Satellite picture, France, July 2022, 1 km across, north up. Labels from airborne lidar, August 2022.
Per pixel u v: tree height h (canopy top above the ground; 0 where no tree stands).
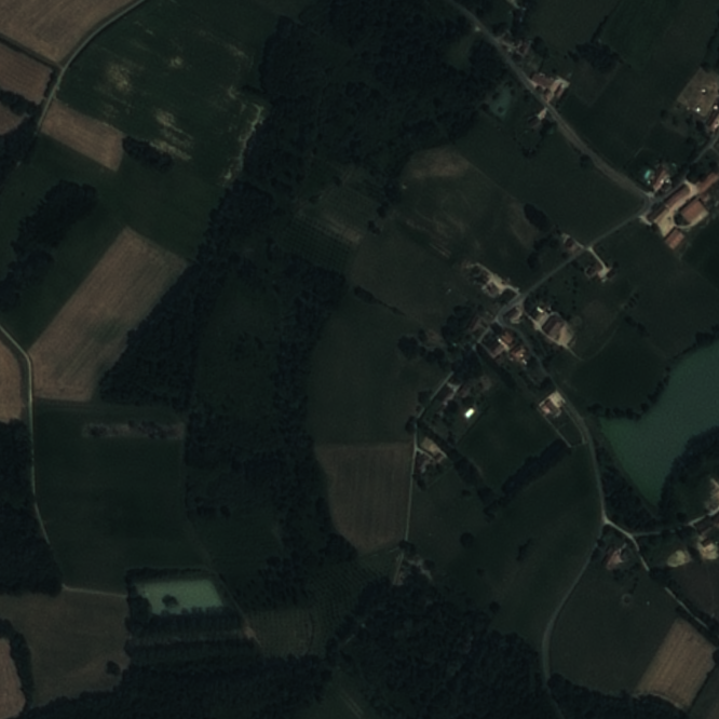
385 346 0
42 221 11
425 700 19
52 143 0
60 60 0
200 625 31
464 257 0
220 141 0
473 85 10
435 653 19
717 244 0
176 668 9
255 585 14
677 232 0
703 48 0
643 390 0
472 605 7
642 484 0
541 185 0
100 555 0
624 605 0
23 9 0
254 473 22
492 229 0
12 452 24
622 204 0
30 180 0
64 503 0
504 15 0
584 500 0
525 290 0
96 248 0
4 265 0
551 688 13
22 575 25
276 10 0
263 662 5
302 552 13
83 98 0
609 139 0
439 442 15
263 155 26
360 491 0
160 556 0
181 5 0
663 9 0
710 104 0
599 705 20
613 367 0
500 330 19
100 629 0
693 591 0
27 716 12
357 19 16
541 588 0
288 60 17
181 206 0
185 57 0
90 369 0
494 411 0
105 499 0
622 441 0
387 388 0
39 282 15
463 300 0
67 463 0
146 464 0
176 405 15
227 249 22
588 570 0
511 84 8
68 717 16
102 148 0
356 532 0
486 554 0
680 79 0
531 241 0
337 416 0
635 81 0
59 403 0
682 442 0
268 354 27
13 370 0
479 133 0
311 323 9
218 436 8
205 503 5
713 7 0
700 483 0
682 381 0
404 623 25
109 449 0
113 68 0
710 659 0
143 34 0
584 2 0
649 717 25
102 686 0
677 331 0
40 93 0
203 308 19
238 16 0
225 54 0
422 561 0
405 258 0
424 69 24
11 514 24
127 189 0
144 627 27
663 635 0
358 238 0
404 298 0
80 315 0
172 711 17
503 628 0
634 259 0
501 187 0
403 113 6
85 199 16
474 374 22
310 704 22
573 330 0
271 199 24
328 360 0
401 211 0
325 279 26
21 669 16
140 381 6
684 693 0
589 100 0
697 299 0
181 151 0
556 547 0
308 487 7
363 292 12
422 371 0
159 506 0
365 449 0
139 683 19
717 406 0
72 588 0
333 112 5
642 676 0
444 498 0
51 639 0
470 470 20
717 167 12
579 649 0
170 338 21
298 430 17
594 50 14
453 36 24
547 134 12
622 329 0
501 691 32
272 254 18
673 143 0
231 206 24
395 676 12
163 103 0
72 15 0
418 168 0
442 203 0
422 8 16
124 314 0
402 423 0
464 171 0
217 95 0
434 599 13
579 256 0
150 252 0
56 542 0
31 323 0
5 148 6
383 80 17
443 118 10
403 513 0
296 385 18
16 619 0
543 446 0
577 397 0
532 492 0
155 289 0
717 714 0
